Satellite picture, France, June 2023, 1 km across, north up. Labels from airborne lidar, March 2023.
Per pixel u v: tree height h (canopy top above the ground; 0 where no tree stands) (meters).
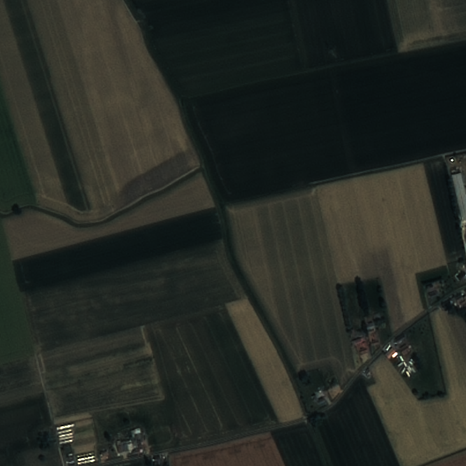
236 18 0
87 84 0
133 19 0
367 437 0
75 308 0
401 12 0
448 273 0
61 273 0
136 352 0
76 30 0
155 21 0
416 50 0
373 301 0
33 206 0
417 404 0
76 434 0
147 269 0
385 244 0
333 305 0
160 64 0
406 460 0
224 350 0
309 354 0
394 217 0
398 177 0
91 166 0
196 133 0
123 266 0
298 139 0
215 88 0
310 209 0
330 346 0
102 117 0
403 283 0
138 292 0
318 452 0
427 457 0
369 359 0
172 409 0
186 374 0
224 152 0
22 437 0
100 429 0
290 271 0
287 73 0
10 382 0
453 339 0
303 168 0
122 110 0
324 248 0
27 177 0
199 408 0
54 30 0
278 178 0
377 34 0
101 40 0
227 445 0
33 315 0
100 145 0
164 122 0
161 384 0
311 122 0
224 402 0
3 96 0
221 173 0
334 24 0
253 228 0
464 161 0
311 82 0
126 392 0
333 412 0
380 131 0
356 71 0
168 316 0
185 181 0
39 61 0
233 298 0
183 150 0
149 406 0
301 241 0
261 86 0
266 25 0
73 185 0
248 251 0
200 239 0
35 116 0
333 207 0
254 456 0
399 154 0
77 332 0
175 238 0
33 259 0
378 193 0
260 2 0
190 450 0
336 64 0
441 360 0
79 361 0
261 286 0
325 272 0
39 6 0
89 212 0
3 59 0
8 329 0
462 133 0
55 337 0
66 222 0
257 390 0
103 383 0
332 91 0
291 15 0
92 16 0
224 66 0
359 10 0
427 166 0
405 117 0
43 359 0
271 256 0
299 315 0
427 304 0
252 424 0
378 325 12
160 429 0
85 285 0
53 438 0
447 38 0
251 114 0
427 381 0
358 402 0
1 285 0
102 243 0
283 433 0
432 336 0
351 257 0
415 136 0
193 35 0
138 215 0
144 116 0
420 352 0
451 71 0
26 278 0
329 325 0
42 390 0
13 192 0
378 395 0
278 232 0
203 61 0
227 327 0
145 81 0
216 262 0
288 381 0
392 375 0
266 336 0
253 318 0
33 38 0
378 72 0
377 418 0
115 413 0
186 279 0
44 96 0
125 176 0
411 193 0
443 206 0
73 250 0
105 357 0
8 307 0
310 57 0
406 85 0
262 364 0
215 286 0
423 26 0
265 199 0
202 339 0
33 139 0
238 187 0
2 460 0
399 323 0
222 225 0
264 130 0
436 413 0
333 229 0
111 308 0
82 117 0
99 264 0
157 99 0
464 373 0
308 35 0
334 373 0
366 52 0
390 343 0
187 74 0
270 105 0
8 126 0
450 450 0
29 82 0
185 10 0
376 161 0
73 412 0
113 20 0
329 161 0
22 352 0
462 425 0
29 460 0
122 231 0
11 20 0
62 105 0
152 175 0
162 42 0
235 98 0
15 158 0
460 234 18
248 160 0
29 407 0
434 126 0
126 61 0
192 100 0
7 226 0
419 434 0
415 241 0
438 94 0
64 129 0
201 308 0
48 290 0
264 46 0
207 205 0
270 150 0
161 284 0
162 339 0
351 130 0
